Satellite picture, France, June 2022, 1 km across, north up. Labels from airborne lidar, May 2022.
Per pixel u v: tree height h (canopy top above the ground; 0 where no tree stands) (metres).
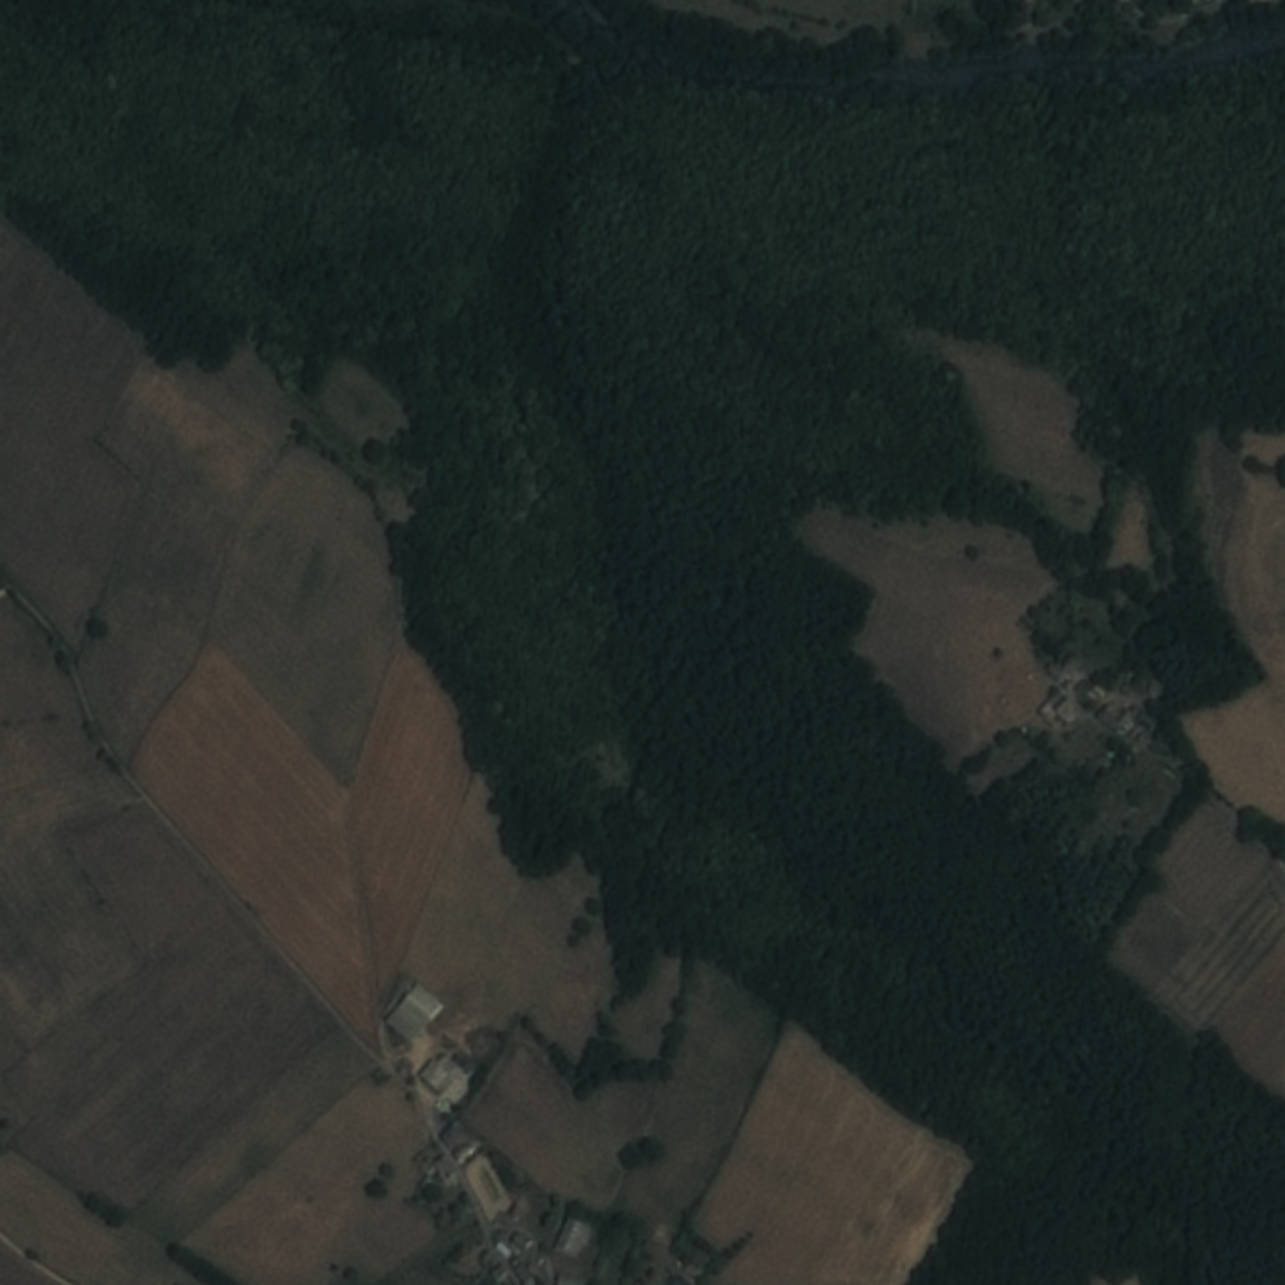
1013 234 8
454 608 15
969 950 16
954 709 0
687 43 27
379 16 8
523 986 0
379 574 0
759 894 13
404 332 11
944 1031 18
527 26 7
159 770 0
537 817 14
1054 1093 23
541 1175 0
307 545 0
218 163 11
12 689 0
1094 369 9
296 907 0
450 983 0
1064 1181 19
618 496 27
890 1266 0
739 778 8
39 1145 0
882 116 18
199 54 16
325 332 18
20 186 14
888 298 14
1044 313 9
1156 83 19
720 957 10
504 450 13
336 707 0
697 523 18
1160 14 19
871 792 19
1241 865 0
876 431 16
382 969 0
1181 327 11
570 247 16
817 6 0
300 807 0
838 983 16
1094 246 9
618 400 22
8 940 0
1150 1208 12
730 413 15
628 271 13
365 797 0
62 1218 0
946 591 0
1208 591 20
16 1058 0
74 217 13
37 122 10
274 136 16
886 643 0
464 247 7
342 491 0
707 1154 0
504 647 10
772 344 15
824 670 19
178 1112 0
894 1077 14
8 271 0
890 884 22
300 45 16
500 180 16
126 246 13
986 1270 15
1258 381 15
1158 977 0
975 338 13
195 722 0
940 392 17
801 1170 0
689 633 20
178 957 0
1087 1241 16
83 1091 0
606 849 16
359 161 15
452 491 10
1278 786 0
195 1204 0
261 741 0
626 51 27
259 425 0
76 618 0
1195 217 9
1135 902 12
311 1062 0
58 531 0
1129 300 12
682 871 11
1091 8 14
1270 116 14
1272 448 0
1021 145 16
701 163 9
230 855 0
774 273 10
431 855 0
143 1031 0
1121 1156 14
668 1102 0
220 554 0
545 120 16
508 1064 0
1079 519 0
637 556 20
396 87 17
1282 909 0
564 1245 0
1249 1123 15
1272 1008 0
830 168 12
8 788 0
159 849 0
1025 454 0
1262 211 10
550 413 22
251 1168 0
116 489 0
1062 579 15
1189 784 15
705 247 7
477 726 16
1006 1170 12
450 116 17
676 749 26
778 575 18
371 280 14
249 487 0
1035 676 0
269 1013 0
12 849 0
